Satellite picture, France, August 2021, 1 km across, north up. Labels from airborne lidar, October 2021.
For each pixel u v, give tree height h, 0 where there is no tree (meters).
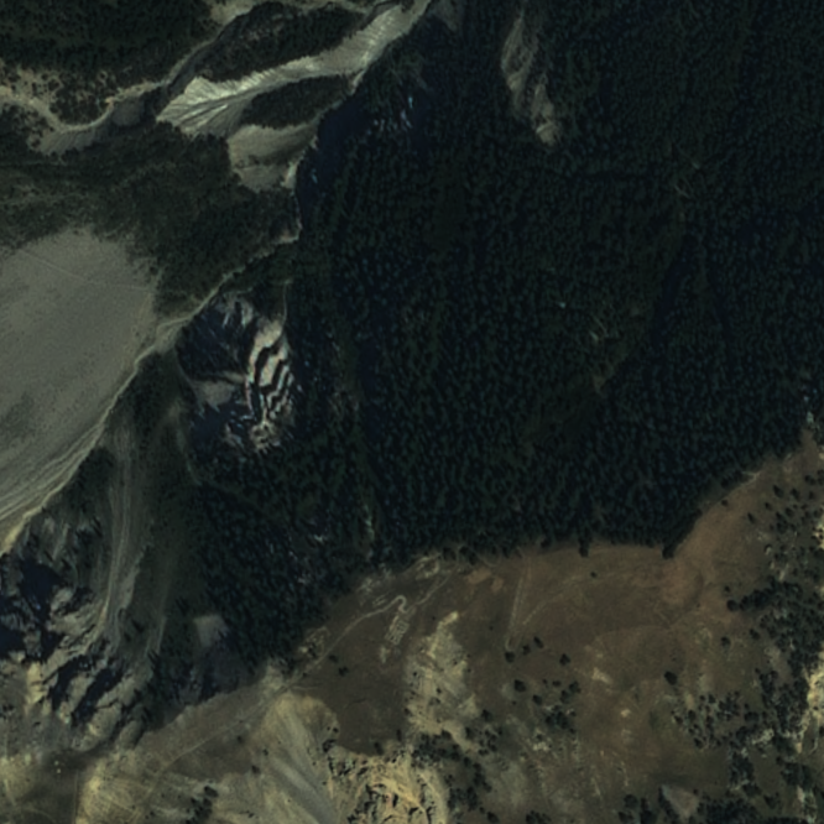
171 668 0
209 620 0
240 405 0
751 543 0
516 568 0
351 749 0
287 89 7
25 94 0
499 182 26
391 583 0
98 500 0
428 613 0
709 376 9
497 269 23
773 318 26
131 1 19
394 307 6
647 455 23
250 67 8
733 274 19
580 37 11
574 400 6
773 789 0
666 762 0
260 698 0
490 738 12
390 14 0
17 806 0
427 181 22
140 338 0
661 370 15
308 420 16
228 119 0
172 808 0
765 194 23
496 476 9
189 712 0
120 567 0
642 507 20
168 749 0
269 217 7
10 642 0
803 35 19
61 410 0
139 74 6
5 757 0
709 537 0
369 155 24
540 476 12
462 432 10
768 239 32
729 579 0
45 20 14
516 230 7
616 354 12
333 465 23
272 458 14
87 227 0
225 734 0
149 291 0
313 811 0
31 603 0
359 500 13
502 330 12
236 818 0
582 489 21
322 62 0
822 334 21
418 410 21
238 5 0
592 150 21
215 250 7
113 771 0
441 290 19
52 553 0
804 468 0
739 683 0
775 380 10
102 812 0
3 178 0
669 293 10
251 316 0
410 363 15
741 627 0
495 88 8
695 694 0
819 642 8
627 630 0
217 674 0
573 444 6
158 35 17
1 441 0
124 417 0
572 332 10
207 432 0
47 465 0
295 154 0
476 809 9
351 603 0
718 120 17
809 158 27
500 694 0
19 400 0
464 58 6
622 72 25
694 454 11
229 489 9
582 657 0
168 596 0
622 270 20
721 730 0
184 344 0
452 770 0
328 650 0
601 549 0
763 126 20
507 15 9
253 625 10
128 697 0
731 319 26
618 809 0
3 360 0
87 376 0
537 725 0
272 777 0
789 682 0
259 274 12
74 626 0
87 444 0
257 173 0
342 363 11
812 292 25
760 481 0
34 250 0
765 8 12
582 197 27
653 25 12
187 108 0
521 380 19
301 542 0
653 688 0
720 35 25
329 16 14
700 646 0
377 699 0
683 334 23
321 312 7
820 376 19
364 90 6
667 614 0
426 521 7
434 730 0
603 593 0
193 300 0
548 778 0
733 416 9
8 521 0
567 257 23
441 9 0
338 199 17
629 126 27
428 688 0
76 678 0
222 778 0
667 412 16
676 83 21
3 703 0
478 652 0
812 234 28
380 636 0
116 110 0
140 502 0
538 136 12
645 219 9
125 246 0
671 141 16
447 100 8
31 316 0
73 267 0
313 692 0
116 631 0
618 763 0
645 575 0
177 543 0
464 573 0
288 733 0
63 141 0
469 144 12
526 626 0
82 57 18
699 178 20
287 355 0
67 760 0
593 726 0
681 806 0
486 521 19
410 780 0
